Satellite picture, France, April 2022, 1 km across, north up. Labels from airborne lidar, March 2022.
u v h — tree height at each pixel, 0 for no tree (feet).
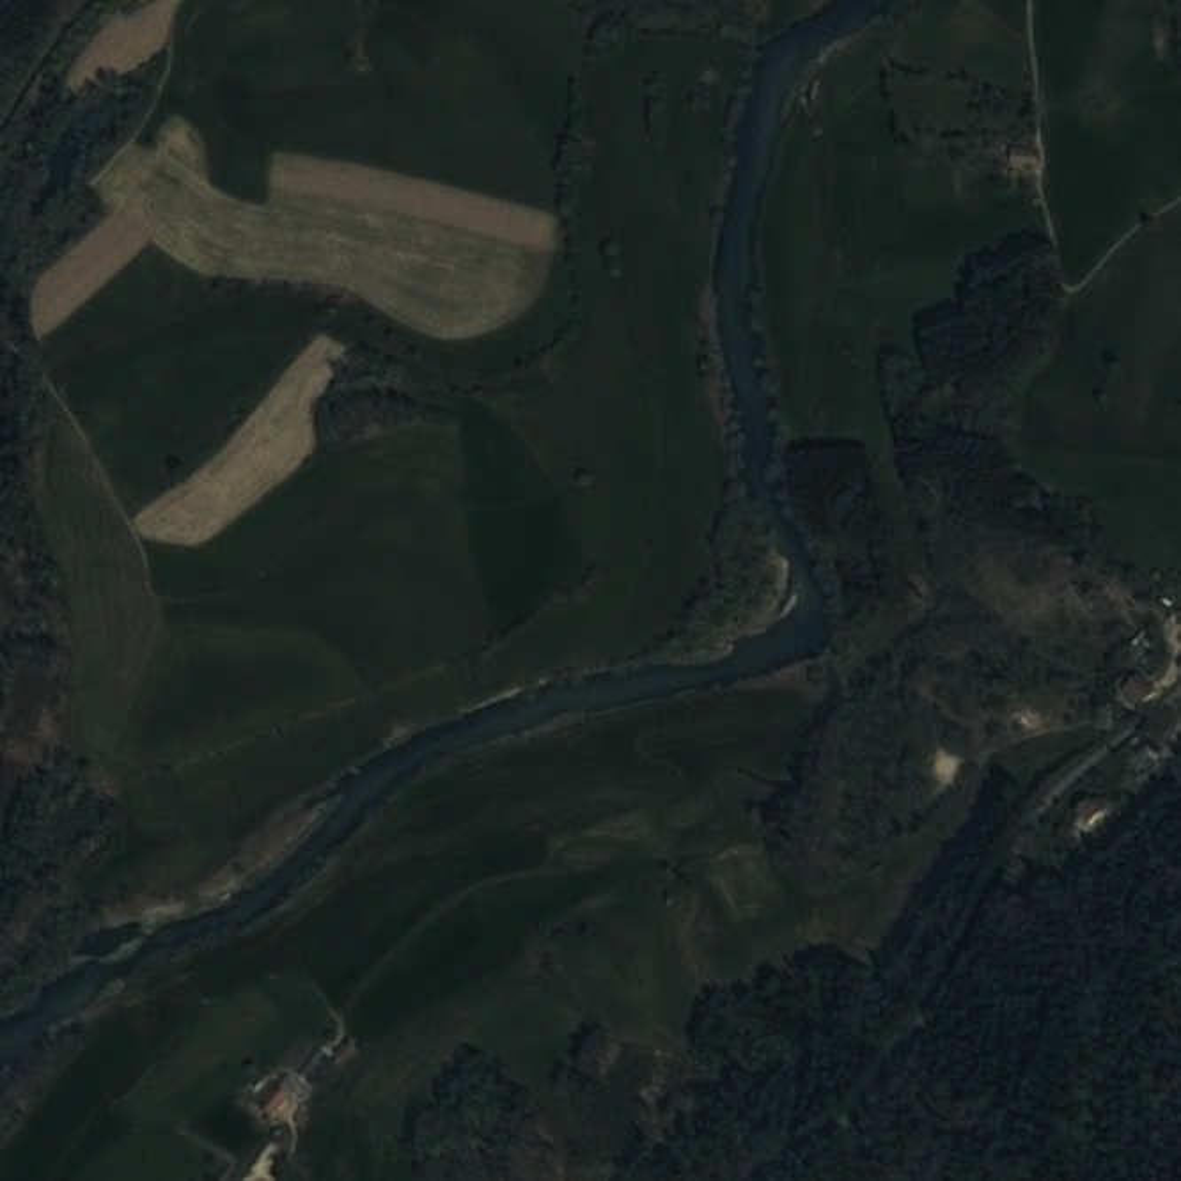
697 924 0
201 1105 0
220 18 0
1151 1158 80
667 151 0
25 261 59
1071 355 0
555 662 0
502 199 0
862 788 68
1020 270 97
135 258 0
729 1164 92
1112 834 0
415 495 0
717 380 43
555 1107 0
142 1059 0
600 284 0
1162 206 0
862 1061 115
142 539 0
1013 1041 64
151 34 0
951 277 0
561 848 0
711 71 0
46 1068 72
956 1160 88
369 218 0
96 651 0
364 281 0
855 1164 105
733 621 50
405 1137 0
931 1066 73
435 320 0
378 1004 0
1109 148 0
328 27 0
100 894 0
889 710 71
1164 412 0
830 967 80
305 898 0
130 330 0
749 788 0
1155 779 0
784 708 0
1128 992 78
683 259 0
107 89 67
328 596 0
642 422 0
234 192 0
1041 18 0
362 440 47
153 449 0
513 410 0
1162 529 0
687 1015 0
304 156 0
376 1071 0
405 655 0
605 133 0
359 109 0
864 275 0
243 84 0
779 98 0
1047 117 0
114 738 0
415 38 0
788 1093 104
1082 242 0
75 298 0
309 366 0
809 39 0
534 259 0
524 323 0
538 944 0
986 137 24
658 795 0
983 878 87
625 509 0
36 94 0
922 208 0
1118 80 0
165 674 0
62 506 0
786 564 0
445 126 0
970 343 100
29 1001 57
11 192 64
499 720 0
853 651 48
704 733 0
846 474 64
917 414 85
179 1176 0
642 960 0
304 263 0
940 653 61
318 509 0
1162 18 0
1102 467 0
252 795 0
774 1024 28
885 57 0
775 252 0
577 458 0
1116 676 0
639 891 0
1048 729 0
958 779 0
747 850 0
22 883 62
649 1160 104
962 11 0
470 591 0
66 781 76
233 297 26
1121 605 0
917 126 0
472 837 0
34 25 82
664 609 0
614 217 0
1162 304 0
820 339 0
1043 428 0
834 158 0
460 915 0
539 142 0
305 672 0
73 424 0
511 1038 0
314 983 0
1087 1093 79
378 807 20
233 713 0
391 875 0
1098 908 73
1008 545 70
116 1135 0
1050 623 0
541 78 0
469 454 0
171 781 0
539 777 0
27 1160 0
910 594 0
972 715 35
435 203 0
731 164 27
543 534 0
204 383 0
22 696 0
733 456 29
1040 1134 74
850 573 24
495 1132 87
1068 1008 92
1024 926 73
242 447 0
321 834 0
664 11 56
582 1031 0
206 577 0
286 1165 63
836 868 99
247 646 0
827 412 0
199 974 0
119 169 0
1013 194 28
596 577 45
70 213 56
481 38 0
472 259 0
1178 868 77
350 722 0
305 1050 0
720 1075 103
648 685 0
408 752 0
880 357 0
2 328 29
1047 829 27
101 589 0
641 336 0
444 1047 0
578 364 0
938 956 110
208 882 0
